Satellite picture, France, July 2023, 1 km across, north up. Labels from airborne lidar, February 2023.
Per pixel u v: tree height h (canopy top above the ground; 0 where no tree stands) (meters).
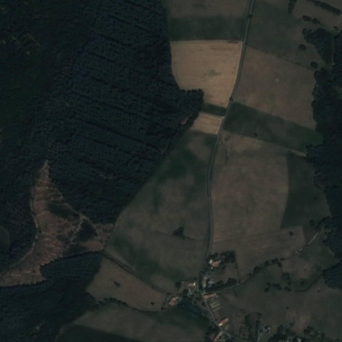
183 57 0
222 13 0
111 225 17
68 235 15
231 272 0
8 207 36
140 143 30
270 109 0
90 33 18
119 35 34
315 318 0
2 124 22
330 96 17
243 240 0
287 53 0
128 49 34
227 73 0
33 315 17
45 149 19
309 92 0
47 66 22
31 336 15
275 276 0
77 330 0
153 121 10
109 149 31
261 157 0
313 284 0
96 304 16
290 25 0
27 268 23
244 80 0
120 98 28
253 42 0
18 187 12
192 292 0
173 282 0
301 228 0
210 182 0
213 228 0
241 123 0
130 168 30
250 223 0
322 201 0
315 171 0
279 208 0
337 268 21
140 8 34
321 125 9
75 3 22
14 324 21
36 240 22
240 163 0
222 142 0
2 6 29
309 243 0
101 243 9
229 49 0
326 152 22
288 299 0
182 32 0
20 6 22
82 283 23
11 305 22
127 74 31
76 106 31
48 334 8
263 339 0
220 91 0
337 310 0
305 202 0
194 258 0
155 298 0
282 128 0
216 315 0
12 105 18
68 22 21
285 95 0
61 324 17
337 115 21
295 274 0
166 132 12
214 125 0
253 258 0
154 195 0
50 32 21
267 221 0
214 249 0
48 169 16
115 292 0
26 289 32
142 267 0
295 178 0
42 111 19
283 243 0
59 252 27
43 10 22
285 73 0
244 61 0
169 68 24
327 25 0
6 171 12
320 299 0
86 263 28
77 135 25
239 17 0
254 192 0
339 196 15
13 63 26
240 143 0
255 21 0
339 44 11
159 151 30
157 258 0
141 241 0
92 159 18
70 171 23
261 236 0
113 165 32
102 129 31
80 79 30
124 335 0
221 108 0
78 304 24
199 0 0
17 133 24
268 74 0
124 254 0
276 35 0
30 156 20
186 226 0
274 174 0
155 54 14
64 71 21
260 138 0
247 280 0
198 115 18
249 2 0
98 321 0
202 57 0
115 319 0
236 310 0
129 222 0
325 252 0
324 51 19
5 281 12
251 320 0
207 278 0
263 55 0
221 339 8
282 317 0
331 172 15
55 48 18
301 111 0
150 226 0
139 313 0
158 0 23
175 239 0
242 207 0
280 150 0
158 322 0
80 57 7
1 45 14
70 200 17
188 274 0
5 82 16
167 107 10
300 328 0
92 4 19
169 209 0
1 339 18
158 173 0
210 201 0
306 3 0
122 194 19
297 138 0
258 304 0
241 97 0
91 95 33
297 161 0
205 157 0
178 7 0
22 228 31
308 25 0
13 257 14
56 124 24
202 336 0
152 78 19
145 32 33
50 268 21
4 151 25
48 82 24
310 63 0
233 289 0
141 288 0
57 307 17
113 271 0
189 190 0
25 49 21
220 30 0
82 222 18
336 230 18
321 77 19
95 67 32
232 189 0
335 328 0
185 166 0
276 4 0
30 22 20
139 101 24
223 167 0
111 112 32
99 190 19
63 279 16
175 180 0
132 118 33
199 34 0
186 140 0
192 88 0
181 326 0
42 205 11
